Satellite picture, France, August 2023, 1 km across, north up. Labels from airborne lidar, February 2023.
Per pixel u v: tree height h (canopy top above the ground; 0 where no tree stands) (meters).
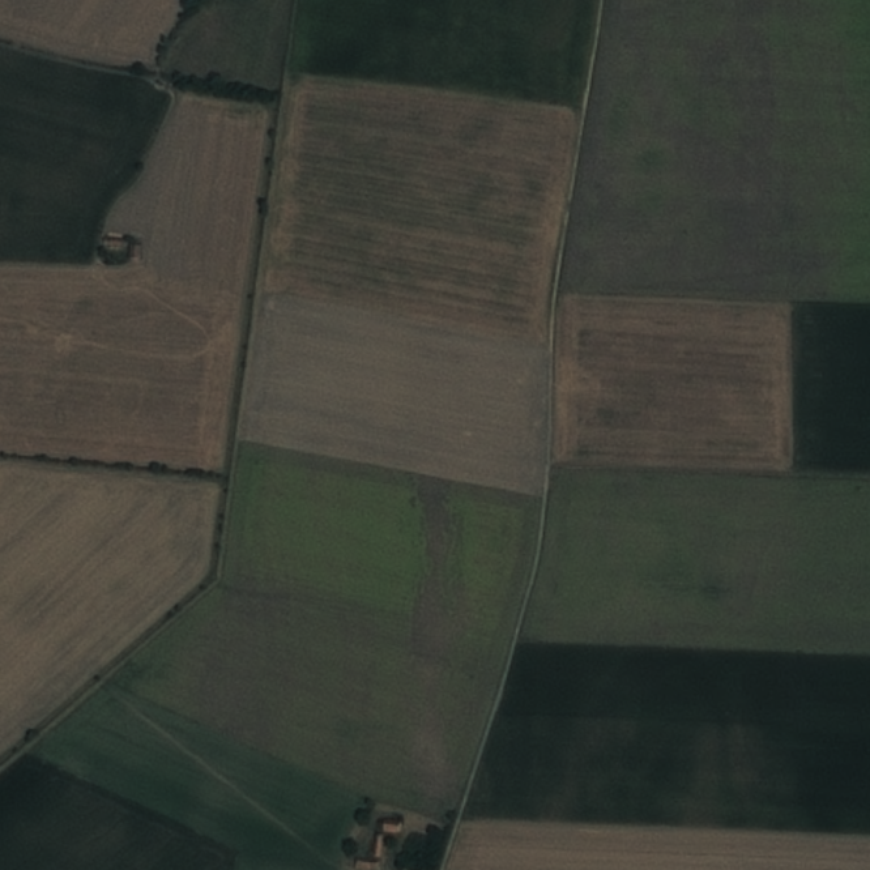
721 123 0
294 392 0
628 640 0
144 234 0
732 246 0
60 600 0
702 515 0
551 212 0
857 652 0
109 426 0
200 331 0
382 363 0
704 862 0
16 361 0
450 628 0
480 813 0
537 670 0
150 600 0
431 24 0
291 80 0
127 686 0
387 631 0
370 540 0
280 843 0
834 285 0
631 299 0
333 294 0
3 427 0
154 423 0
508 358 0
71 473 0
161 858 0
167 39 11
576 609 0
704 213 0
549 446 0
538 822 0
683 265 0
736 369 0
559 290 0
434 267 0
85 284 0
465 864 0
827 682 0
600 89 0
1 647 0
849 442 0
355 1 0
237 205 0
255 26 0
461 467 0
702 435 0
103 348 0
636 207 0
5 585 0
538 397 0
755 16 0
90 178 0
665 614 0
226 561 0
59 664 0
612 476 0
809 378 0
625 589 0
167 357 0
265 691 0
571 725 0
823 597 0
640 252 0
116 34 0
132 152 0
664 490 0
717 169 0
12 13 0
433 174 0
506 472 0
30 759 0
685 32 0
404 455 0
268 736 0
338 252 0
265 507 0
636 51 0
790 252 0
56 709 0
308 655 0
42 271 0
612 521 0
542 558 0
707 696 0
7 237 0
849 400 0
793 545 0
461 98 0
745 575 0
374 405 0
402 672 0
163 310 0
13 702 0
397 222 0
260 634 0
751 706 0
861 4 0
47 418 0
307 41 0
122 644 0
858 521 0
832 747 0
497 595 0
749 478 0
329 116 0
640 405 0
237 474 0
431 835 13
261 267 0
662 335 0
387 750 0
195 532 0
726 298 0
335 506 0
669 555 0
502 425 0
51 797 0
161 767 0
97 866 0
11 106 0
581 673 0
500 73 0
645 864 0
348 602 0
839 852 0
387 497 0
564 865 0
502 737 0
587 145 0
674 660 0
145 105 0
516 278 0
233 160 0
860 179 0
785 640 0
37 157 0
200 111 0
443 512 0
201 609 0
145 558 0
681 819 0
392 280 0
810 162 0
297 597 0
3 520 0
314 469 0
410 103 0
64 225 0
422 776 0
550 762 0
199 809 0
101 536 0
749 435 0
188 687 0
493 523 0
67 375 0
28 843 0
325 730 0
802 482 0
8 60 0
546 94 0
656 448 0
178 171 0
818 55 0
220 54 0
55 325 0
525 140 0
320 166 0
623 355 0
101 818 0
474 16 0
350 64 0
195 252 0
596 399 0
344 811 0
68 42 0
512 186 0
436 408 0
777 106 0
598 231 0
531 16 0
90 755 0
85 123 0
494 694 0
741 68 0
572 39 0
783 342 0
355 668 0
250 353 0
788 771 0
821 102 0
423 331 0
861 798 0
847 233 0
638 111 0
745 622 0
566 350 0
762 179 0
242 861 0
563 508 0
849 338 0
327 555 0
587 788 0
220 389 0
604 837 0
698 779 0
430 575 0
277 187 0
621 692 0
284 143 0
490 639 0
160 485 0
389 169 0
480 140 0
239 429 0
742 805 0
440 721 0
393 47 0
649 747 0
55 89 0
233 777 0
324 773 0
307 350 0
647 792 0
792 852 0
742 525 0
